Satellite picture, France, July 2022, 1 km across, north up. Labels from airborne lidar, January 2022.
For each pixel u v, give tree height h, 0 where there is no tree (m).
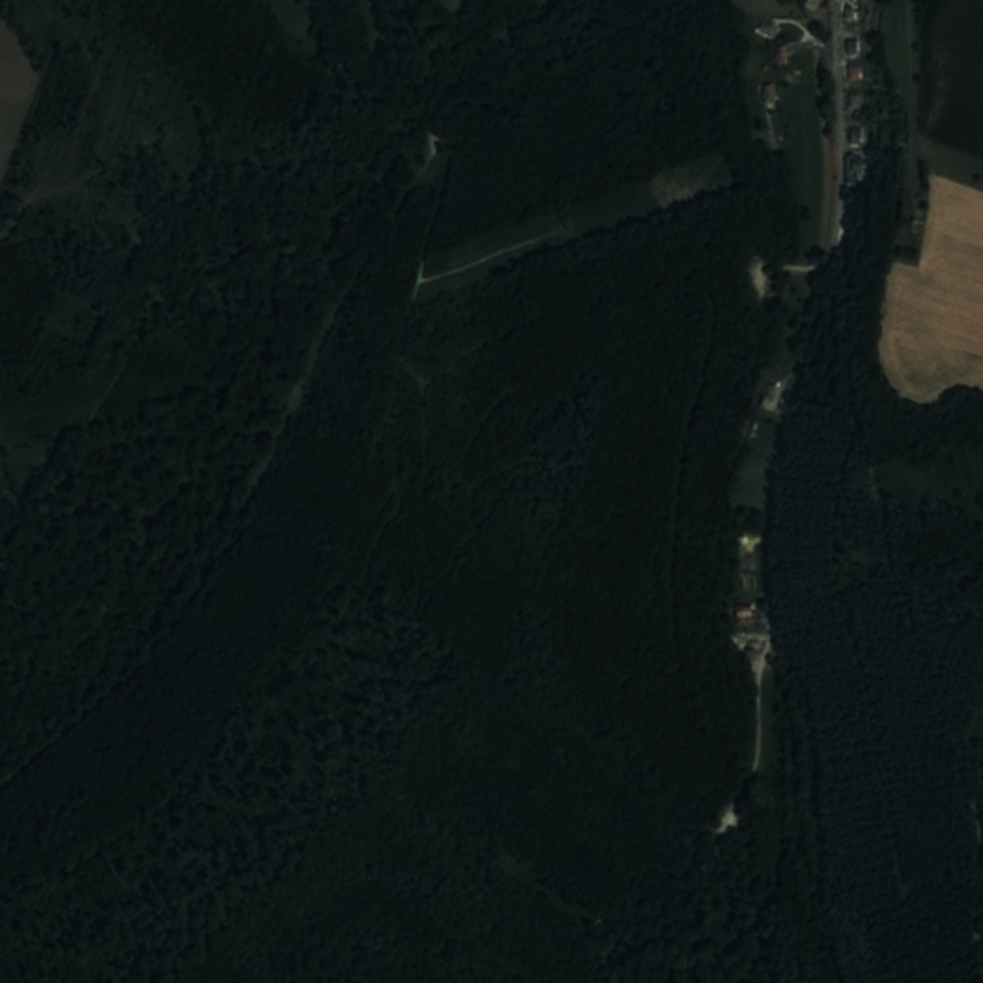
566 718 22
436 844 21
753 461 0
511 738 23
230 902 24
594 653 19
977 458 0
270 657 11
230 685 21
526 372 6
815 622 20
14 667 17
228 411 32
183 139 0
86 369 17
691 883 23
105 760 18
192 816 22
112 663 30
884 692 19
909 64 0
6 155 0
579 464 16
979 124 0
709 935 22
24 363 11
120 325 18
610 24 19
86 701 16
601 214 0
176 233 23
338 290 25
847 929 19
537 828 16
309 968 25
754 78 0
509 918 22
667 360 12
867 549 20
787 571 20
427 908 25
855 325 21
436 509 8
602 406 18
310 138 21
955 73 0
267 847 25
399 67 23
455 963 26
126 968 25
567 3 23
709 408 21
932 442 23
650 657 19
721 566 15
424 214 10
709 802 8
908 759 14
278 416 25
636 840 20
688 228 23
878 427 18
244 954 22
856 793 15
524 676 19
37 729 21
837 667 19
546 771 21
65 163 0
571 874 19
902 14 0
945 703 16
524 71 28
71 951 24
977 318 0
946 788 11
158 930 23
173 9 9
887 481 0
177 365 11
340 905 23
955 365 0
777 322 19
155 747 18
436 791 23
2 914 23
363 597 27
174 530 27
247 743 16
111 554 21
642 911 22
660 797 22
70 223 11
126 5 10
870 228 23
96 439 16
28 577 22
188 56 8
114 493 27
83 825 14
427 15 30
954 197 0
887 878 18
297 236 30
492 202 8
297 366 35
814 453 23
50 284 6
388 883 22
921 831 14
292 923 24
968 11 0
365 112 20
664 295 17
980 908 11
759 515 14
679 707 20
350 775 24
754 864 13
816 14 0
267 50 12
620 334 15
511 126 11
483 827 15
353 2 17
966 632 17
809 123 0
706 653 25
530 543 8
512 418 8
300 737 26
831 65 0
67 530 27
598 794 20
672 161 19
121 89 0
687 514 21
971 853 18
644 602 20
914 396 0
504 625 9
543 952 29
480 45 22
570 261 15
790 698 17
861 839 19
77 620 21
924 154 0
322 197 29
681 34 18
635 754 11
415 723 19
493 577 9
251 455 27
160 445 27
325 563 15
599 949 18
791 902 6
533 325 10
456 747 22
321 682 25
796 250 20
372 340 5
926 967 12
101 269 17
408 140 24
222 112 7
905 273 0
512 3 17
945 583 15
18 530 27
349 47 26
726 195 16
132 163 23
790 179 25
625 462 19
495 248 0
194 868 14
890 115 7
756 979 25
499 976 25
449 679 25
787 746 7
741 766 14
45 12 0
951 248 0
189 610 21
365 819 19
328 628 19
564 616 13
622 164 17
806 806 14
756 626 18
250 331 31
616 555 16
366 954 28
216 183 17
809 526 20
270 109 9
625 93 8
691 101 16
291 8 0
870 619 17
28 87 0
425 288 0
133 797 9
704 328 20
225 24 11
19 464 0
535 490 15
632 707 18
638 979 32
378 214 23
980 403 21
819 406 24
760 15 0
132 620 22
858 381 19
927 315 0
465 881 17
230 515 20
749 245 16
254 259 31
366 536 7
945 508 15
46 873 21
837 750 18
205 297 28
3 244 5
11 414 0
